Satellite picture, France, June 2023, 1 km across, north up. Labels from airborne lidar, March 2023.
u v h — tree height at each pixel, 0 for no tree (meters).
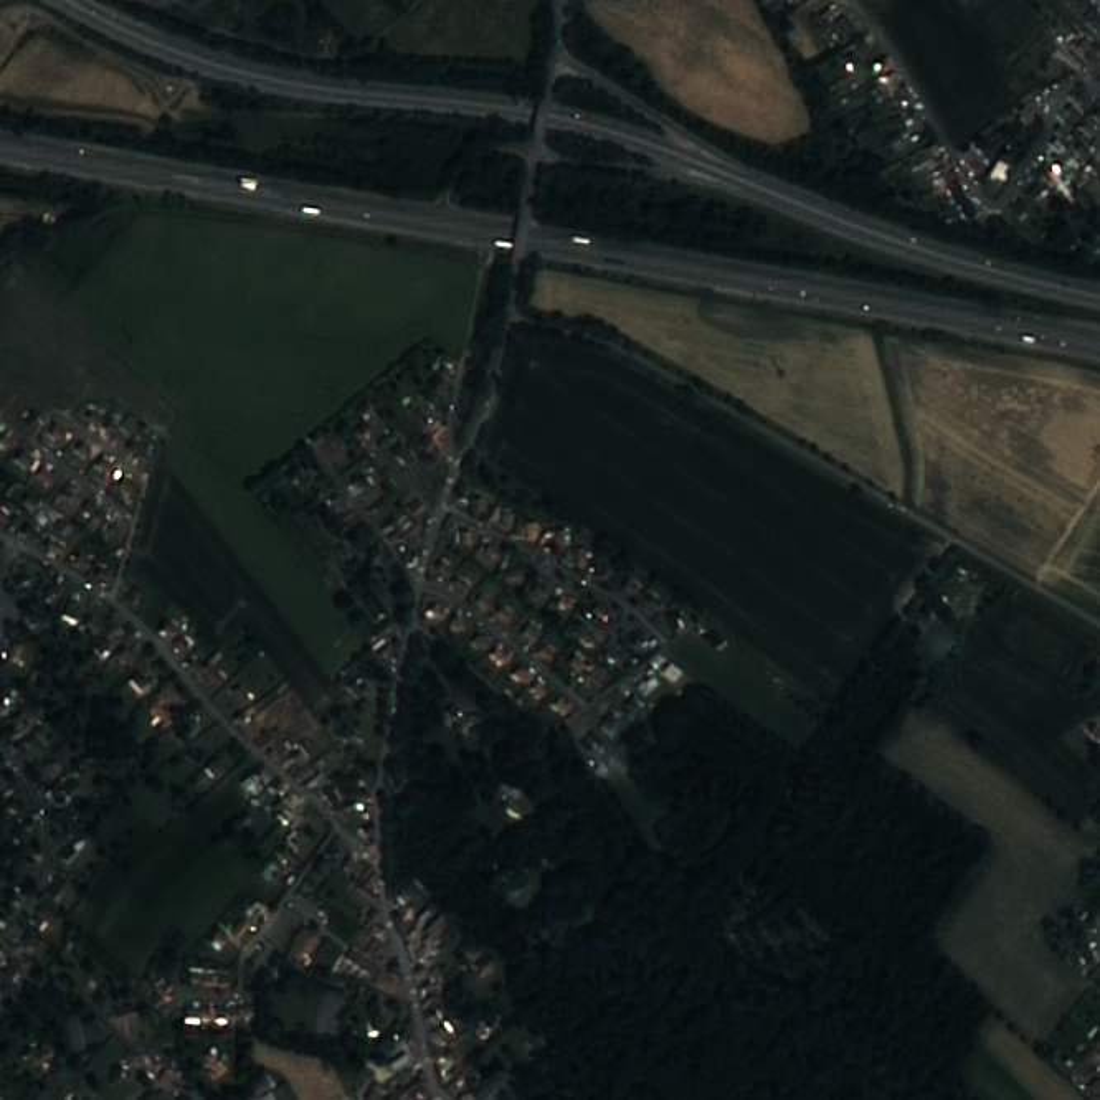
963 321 0
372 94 0
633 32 0
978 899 0
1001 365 0
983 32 0
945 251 0
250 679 0
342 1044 11
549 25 13
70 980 15
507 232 0
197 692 0
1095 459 0
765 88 0
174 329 0
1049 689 0
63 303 0
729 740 26
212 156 15
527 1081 29
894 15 0
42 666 7
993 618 0
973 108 0
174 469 0
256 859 8
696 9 0
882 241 0
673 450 0
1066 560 0
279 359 0
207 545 0
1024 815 0
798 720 0
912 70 0
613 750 0
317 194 0
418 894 0
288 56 7
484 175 9
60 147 0
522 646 0
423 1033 0
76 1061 11
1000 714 0
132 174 0
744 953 33
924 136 7
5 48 0
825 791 15
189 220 0
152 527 0
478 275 0
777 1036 27
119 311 0
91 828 12
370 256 0
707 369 0
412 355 7
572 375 0
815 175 10
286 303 0
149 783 8
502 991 8
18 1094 0
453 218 0
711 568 0
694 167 0
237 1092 12
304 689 0
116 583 0
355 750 10
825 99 16
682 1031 26
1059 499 0
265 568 0
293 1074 0
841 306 0
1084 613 0
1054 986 0
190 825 0
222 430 0
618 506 0
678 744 22
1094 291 0
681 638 0
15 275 0
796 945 25
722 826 13
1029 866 0
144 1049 0
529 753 20
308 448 12
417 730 18
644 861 34
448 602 0
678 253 0
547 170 17
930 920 16
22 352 0
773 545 0
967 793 0
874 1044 27
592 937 20
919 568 0
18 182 11
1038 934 0
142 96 0
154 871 0
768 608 0
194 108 0
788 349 0
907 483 0
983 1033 0
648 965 29
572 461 0
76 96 0
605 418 0
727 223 16
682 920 27
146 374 0
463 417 6
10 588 8
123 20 0
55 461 0
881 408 0
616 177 12
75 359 0
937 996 19
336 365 0
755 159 8
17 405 0
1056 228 13
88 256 0
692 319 0
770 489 0
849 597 0
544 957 22
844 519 0
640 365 0
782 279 0
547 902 23
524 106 0
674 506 0
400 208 0
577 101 11
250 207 0
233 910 0
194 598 0
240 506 0
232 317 0
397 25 0
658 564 0
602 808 24
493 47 0
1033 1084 0
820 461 0
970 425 0
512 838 20
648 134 0
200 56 0
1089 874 18
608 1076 31
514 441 0
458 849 28
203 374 0
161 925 0
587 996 29
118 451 0
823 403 0
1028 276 0
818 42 0
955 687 0
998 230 15
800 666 0
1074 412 0
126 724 12
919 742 0
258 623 0
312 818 0
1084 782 0
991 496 0
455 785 27
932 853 11
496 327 19
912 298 0
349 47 9
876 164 13
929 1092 23
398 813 18
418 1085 0
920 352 0
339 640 0
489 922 22
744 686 0
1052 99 0
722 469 0
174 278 0
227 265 0
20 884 9
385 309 0
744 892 28
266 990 13
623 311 0
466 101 0
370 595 8
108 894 0
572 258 0
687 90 0
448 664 14
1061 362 0
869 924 13
